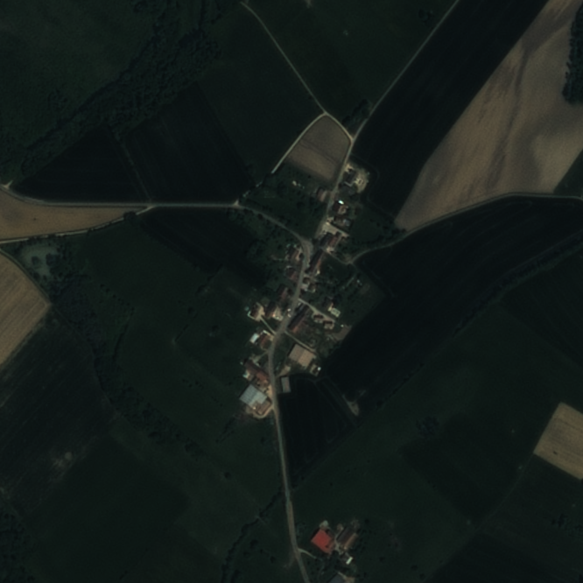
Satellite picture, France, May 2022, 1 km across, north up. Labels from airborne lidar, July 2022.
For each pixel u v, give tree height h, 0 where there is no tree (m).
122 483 0
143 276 0
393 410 0
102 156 0
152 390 0
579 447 0
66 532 0
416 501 0
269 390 0
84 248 0
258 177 0
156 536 0
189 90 0
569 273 0
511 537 0
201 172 0
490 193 0
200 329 0
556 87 0
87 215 0
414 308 0
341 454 0
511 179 0
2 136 22
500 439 0
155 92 19
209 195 0
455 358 0
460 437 0
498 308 0
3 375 0
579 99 19
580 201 0
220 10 12
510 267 0
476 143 0
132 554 0
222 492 0
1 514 18
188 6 0
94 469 0
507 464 0
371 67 0
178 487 0
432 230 0
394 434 0
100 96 18
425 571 0
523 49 0
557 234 0
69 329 0
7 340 0
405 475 0
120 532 0
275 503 11
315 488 0
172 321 0
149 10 25
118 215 0
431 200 0
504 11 0
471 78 0
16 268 0
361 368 0
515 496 0
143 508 0
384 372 0
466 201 0
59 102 21
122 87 19
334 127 0
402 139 0
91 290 0
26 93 7
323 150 0
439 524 0
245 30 0
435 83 0
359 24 0
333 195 0
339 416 0
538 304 0
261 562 0
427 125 0
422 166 0
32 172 17
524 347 0
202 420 0
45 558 0
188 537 0
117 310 0
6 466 0
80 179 0
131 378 0
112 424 0
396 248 0
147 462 0
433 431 28
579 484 0
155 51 26
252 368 0
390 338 0
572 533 15
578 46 20
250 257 6
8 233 0
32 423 0
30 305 0
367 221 0
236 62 0
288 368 0
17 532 22
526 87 0
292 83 0
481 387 0
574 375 0
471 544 0
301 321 0
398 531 0
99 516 0
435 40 0
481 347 0
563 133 0
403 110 0
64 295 23
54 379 0
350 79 0
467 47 0
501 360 0
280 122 0
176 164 0
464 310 0
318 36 0
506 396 0
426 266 0
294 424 0
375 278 0
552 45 0
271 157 0
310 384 0
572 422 0
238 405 0
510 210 0
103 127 0
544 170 0
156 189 0
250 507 0
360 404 0
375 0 0
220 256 0
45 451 0
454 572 0
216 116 0
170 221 0
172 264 0
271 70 0
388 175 0
